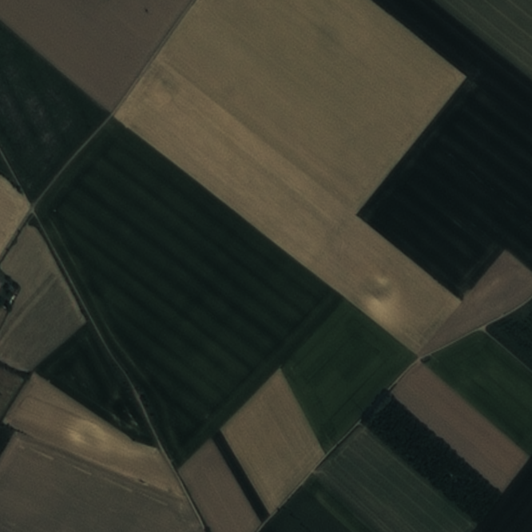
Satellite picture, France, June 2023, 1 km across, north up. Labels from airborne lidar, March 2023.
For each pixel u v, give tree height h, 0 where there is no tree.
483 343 0
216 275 0
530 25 0
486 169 0
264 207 0
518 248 0
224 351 0
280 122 0
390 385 0
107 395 0
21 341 0
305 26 0
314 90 0
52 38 0
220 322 0
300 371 0
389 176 0
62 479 0
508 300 0
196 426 0
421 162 0
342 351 0
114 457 0
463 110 0
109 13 0
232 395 0
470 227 0
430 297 0
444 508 0
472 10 0
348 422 0
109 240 0
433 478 10
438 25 0
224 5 0
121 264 0
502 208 0
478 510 12
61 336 0
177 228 0
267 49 0
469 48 0
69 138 0
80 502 0
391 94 0
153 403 0
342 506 0
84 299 0
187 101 0
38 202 0
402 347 0
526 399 0
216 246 0
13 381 0
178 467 0
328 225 0
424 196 0
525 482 0
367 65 0
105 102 0
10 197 0
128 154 0
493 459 0
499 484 0
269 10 0
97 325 0
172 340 0
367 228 0
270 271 0
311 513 0
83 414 0
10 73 0
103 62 0
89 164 0
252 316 0
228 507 0
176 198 0
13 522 0
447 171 0
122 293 0
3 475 0
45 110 0
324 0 0
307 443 0
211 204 0
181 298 0
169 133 0
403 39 0
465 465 14
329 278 0
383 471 0
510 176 0
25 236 0
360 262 0
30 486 0
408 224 0
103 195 0
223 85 0
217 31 0
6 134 0
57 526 0
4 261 0
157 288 0
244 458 0
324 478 0
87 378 0
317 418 0
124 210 0
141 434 0
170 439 0
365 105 0
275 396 0
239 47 0
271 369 0
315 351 0
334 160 0
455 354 0
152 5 0
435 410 0
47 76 0
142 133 0
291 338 0
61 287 0
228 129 0
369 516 0
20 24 0
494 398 0
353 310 0
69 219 0
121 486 0
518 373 0
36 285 0
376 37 0
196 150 0
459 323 0
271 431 0
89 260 0
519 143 0
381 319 0
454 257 0
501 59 0
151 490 0
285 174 0
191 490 0
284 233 0
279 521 0
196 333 0
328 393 0
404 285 0
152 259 0
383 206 0
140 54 0
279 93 0
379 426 12
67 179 0
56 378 0
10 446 0
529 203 0
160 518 0
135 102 0
